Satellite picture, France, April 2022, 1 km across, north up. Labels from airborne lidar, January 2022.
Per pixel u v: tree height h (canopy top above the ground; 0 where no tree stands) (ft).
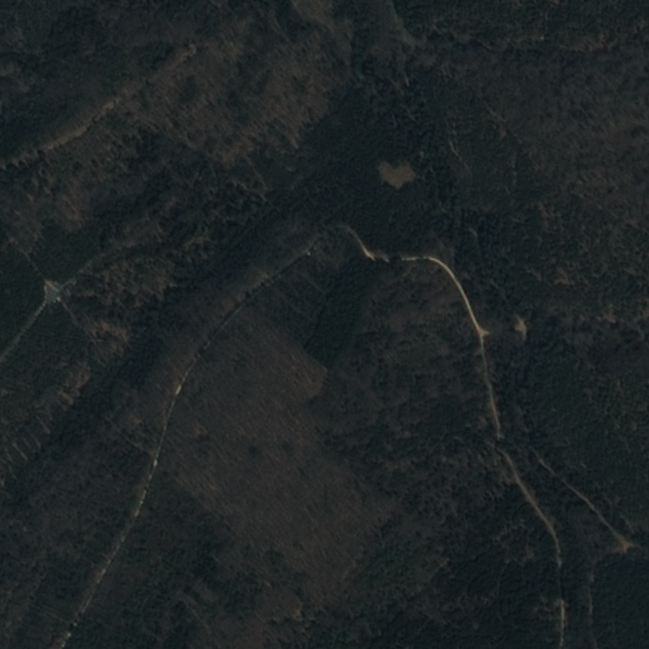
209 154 59
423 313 28
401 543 25
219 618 46
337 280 45
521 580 41
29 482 51
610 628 22
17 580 42
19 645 22
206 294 70
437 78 38
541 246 33
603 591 28
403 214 65
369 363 36
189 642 40
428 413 28
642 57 84
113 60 39
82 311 67
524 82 32
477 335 28
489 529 58
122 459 27
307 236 39
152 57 40
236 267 55
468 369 44
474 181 28
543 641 41
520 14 30
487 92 34
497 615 42
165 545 31
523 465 58
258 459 71
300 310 52
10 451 52
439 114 31
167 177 73
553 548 45
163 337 66
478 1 31
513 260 32
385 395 43
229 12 33
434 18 32
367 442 22
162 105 55
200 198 83
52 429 52
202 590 37
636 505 30
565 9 28
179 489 47
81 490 35
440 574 25
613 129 84
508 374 50
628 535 78
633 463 33
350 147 76
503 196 35
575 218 20
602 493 29
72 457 45
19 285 35
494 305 58
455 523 41
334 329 77
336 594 61
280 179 57
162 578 33
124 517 30
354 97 86
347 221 60
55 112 49
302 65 38
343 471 67
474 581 22
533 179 26
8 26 22
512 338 56
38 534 28
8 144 60
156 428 66
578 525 55
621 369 23
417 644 30
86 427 37
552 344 42
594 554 42
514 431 46
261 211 105
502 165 33
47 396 55
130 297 38
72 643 28
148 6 30
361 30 74
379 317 31
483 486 30
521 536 43
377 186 73
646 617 37
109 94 51
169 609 28
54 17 26
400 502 49
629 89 70
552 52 23
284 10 60
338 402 33
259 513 58
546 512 28
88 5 36
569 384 43
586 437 48
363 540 67
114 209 87
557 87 29
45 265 37
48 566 27
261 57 60
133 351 74
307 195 75
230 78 54
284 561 45
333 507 65
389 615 29
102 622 35
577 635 31
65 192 97
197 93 67
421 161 81
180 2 33
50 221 24
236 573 47
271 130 49
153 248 38
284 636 62
